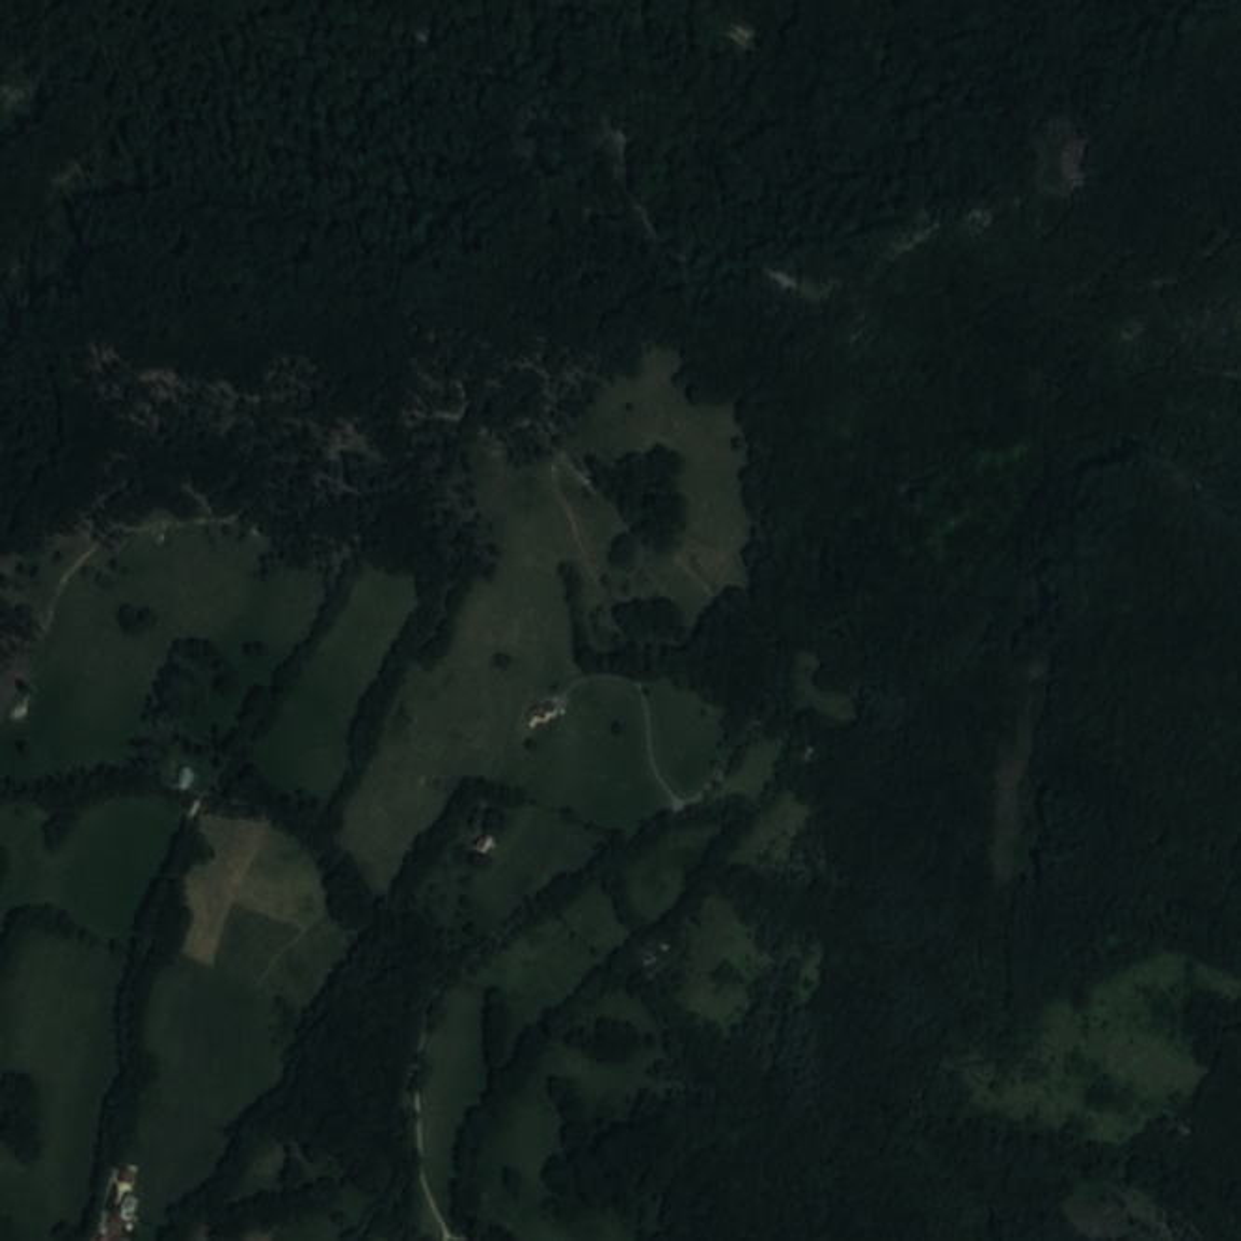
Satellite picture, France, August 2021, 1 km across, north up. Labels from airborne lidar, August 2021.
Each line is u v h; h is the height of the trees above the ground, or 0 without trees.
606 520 0
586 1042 11
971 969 6
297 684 16
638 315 14
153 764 22
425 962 22
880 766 16
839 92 30
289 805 17
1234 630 16
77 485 17
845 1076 17
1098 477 24
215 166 31
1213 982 0
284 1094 15
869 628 28
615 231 29
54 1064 0
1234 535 7
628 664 20
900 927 12
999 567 27
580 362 14
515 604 0
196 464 15
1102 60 30
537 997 0
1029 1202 18
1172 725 14
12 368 19
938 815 20
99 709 0
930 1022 8
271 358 17
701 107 13
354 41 25
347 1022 23
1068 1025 0
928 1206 12
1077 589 18
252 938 0
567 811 12
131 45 12
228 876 0
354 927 22
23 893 0
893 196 11
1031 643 6
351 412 18
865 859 17
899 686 15
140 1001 17
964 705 15
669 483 21
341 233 27
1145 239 21
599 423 0
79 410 20
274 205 29
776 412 24
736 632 17
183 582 0
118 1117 16
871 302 8
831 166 14
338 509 19
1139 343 8
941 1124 24
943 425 28
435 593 17
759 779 0
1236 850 16
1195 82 16
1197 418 12
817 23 22
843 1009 16
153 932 19
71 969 0
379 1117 23
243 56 22
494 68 9
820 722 16
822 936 8
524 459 13
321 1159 22
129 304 18
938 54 25
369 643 0
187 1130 0
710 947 0
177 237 28
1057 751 14
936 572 26
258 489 17
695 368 16
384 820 0
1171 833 18
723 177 23
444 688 0
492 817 18
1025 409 36
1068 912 18
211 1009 0
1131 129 16
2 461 19
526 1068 13
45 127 16
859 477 29
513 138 28
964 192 10
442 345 16
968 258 20
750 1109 18
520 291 22
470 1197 19
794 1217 20
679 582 0
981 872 20
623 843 17
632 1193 10
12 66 17
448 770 0
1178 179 23
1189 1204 18
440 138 25
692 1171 24
